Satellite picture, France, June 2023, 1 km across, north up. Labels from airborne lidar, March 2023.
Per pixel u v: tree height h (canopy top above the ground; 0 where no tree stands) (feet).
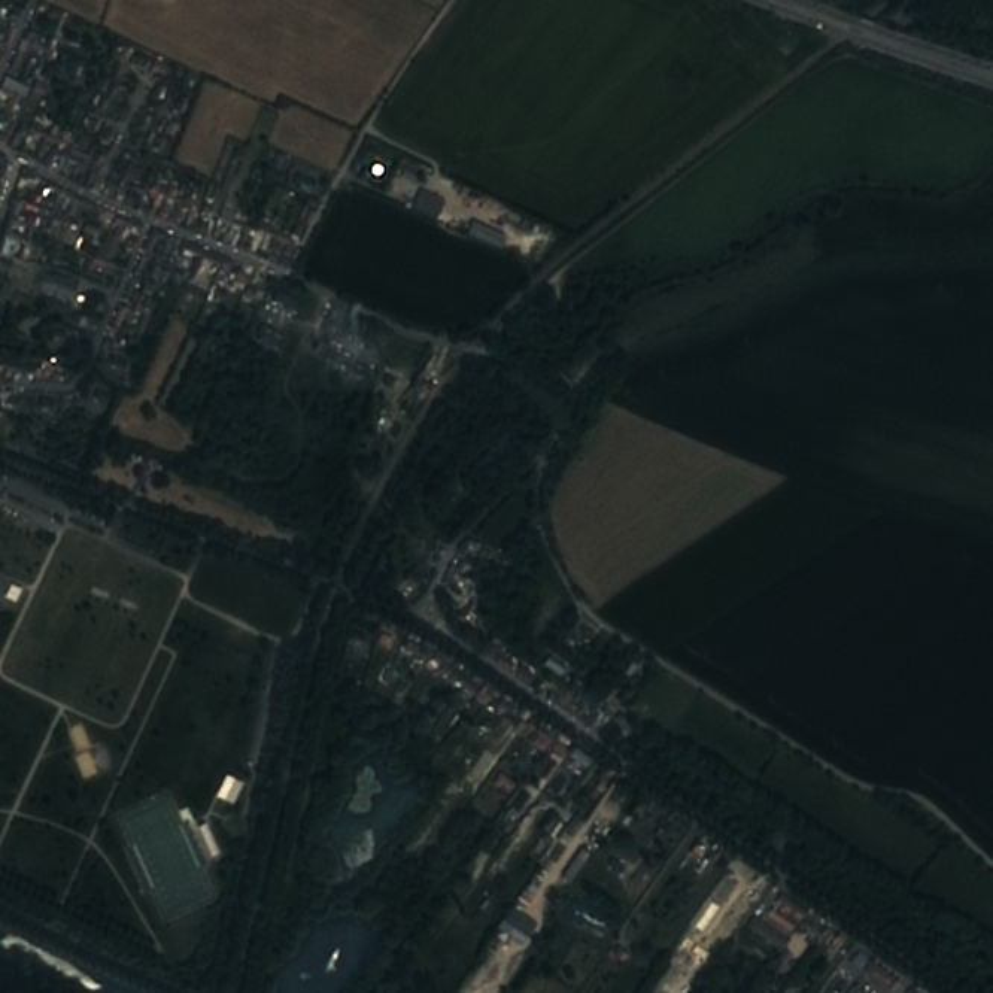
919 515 0
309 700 44
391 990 73
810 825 69
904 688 0
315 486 23
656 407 0
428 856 51
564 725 50
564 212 0
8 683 0
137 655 0
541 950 40
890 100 0
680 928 0
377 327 53
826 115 0
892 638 0
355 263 0
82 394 40
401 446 0
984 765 0
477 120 0
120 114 0
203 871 0
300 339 0
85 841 0
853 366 0
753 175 0
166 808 0
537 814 0
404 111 0
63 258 0
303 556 99
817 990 0
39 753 0
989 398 0
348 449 19
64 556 0
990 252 0
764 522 0
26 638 0
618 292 21
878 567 0
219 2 0
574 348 53
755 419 0
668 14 0
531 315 62
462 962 0
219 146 0
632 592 0
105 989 0
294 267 37
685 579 0
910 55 0
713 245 0
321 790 46
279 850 64
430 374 0
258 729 0
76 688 0
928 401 0
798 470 0
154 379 0
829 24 0
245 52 0
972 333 0
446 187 0
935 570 0
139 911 0
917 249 0
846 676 0
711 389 0
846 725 0
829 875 65
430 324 0
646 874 0
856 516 0
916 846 0
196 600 0
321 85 0
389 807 0
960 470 0
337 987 0
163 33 0
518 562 34
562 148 0
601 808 0
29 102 0
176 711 0
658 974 30
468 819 57
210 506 0
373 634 28
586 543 0
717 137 0
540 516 43
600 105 0
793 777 0
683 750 69
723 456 0
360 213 0
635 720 49
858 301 0
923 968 55
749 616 0
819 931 0
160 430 0
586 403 66
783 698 0
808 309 0
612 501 0
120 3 0
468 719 36
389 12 0
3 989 123
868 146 0
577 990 0
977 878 0
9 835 0
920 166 0
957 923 70
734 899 0
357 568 65
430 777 27
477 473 62
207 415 50
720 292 0
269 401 48
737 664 0
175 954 0
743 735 0
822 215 41
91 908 18
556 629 41
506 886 48
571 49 0
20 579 0
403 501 78
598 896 57
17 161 0
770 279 0
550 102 0
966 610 0
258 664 27
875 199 0
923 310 0
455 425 75
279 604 0
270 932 42
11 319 36
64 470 18
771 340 0
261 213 34
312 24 0
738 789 76
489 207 0
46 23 44
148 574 0
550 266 0
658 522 0
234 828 0
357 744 29
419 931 38
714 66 0
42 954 0
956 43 27
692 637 0
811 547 0
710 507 0
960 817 0
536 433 86
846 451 0
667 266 0
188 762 0
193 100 19
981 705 0
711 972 58
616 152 0
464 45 0
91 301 36
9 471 28
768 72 0
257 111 0
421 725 67
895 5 35
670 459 0
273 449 36
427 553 0
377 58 0
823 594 0
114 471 0
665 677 0
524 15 0
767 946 0
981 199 0
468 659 52
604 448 0
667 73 0
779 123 0
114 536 0
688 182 0
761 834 58
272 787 59
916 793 0
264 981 45
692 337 0
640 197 0
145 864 0
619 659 29
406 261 0
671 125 0
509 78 0
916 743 0
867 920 66
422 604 0
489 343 63
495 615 61
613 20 0
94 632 0
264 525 0
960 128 0
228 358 48
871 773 0
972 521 0
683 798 65
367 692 33
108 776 0
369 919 20
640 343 0
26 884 27
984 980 68
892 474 0
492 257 0
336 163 0
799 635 0
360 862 0
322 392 20
